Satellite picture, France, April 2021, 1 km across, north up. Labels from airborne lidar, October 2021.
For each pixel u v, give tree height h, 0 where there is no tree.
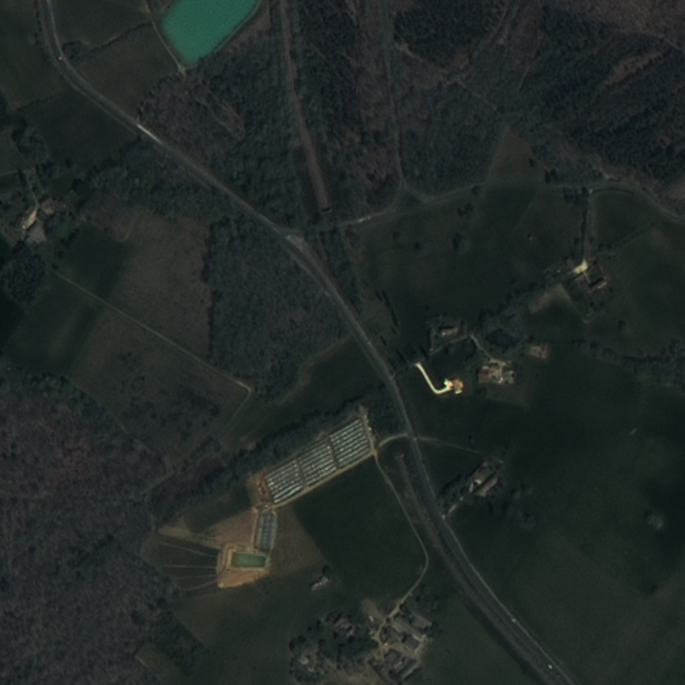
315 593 0
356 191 16
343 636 13
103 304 0
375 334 0
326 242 17
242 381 19
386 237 0
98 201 16
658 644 0
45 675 17
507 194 0
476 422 0
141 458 10
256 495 0
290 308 22
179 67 0
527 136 18
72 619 14
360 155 14
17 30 0
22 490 7
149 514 17
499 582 0
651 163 24
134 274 0
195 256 7
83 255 0
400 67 19
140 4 0
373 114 11
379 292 0
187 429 0
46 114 0
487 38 16
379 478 0
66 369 0
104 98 0
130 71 0
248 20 0
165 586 13
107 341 0
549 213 0
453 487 9
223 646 0
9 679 5
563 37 23
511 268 0
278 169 19
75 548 11
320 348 22
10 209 12
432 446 0
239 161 16
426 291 0
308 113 15
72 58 11
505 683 0
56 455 13
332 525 0
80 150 0
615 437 0
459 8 13
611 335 0
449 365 0
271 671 0
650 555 0
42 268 18
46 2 0
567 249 0
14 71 0
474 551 0
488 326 19
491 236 0
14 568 15
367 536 0
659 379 22
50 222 14
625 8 17
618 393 0
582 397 0
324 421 15
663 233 0
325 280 0
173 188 14
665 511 0
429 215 0
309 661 10
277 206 21
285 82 15
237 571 0
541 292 13
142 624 20
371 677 0
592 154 19
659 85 8
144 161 21
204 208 23
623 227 0
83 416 12
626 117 7
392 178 14
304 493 0
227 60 16
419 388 0
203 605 0
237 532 0
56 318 0
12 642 15
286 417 0
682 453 0
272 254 22
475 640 0
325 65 10
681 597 0
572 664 0
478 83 13
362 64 15
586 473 0
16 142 15
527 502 0
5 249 0
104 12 0
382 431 13
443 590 0
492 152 22
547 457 0
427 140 16
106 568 16
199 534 0
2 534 18
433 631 6
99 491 10
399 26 11
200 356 0
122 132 0
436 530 7
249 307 22
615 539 0
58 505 8
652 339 0
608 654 0
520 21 7
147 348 0
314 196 6
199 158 15
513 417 0
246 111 12
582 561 0
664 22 11
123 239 18
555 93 10
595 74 10
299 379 20
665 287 0
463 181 16
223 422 0
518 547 0
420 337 0
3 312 0
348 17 13
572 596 0
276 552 0
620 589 0
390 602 0
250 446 0
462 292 0
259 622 0
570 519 0
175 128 18
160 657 0
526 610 0
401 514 0
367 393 13
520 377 0
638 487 0
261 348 24
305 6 20
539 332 0
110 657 19
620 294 0
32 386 11
